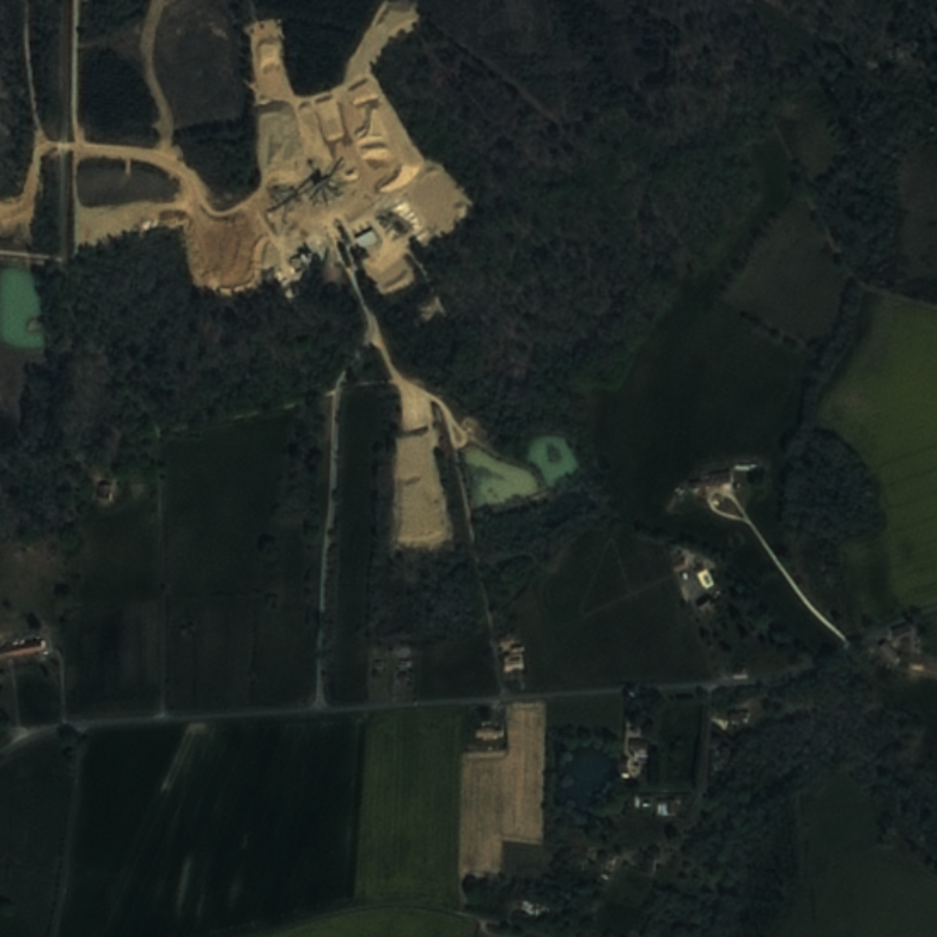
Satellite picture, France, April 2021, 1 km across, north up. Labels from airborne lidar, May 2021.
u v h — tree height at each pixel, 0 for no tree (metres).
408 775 0
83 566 0
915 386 0
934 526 0
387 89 11
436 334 19
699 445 0
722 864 15
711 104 11
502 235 14
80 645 0
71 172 0
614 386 21
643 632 0
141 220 0
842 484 15
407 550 12
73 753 14
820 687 21
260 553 10
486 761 0
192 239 0
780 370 0
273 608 6
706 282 0
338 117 0
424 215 0
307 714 0
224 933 0
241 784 0
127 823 0
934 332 0
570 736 13
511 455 10
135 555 0
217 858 0
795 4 17
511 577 15
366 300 21
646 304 17
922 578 0
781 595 0
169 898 0
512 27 0
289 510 12
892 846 7
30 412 21
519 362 17
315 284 20
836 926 0
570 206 19
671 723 0
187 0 0
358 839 0
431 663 0
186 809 0
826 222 9
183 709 0
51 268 11
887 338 0
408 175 0
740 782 20
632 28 10
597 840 16
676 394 0
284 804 0
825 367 17
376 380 17
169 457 0
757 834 24
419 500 0
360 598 0
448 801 0
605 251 12
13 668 12
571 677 0
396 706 0
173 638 0
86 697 0
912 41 6
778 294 0
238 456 0
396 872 0
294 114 0
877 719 8
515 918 0
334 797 0
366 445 0
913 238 0
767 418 0
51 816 0
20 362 0
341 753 0
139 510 0
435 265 13
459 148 15
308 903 0
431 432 0
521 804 0
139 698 0
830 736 20
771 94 20
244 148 10
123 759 0
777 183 0
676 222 17
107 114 7
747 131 19
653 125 19
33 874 0
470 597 10
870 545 0
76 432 11
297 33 14
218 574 0
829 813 0
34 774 0
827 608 0
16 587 0
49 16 7
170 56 0
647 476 0
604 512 6
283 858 0
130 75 7
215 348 12
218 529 0
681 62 7
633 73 0
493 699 0
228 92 0
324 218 0
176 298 15
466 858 0
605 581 0
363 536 0
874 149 14
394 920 0
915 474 0
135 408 14
